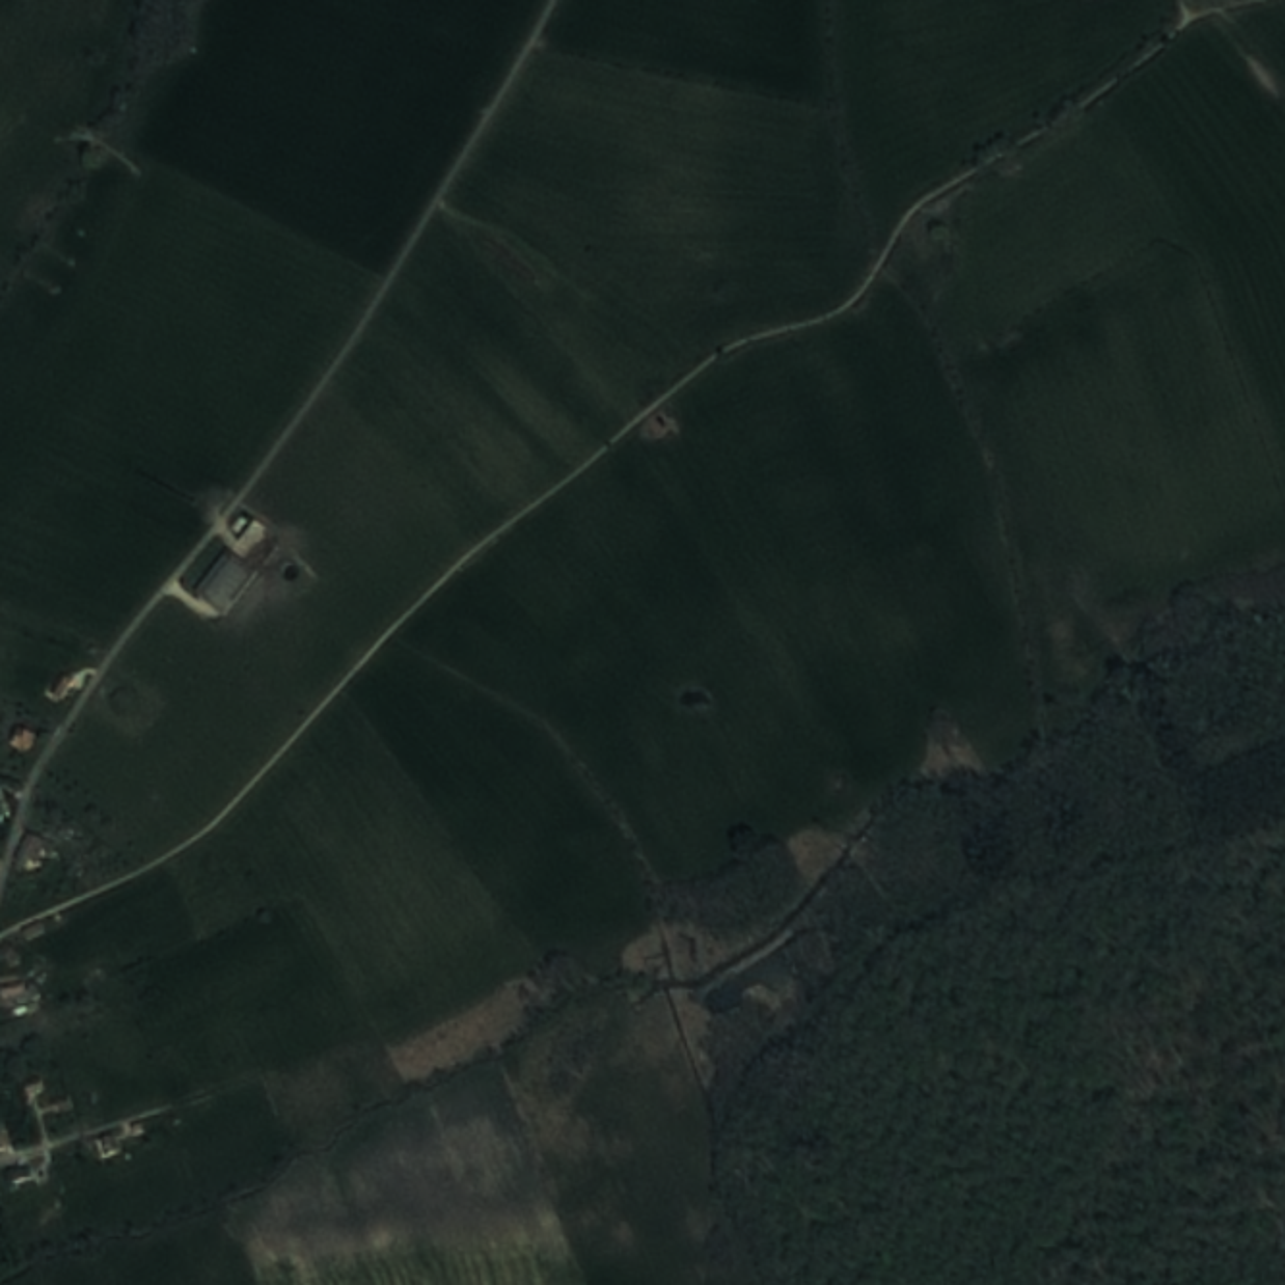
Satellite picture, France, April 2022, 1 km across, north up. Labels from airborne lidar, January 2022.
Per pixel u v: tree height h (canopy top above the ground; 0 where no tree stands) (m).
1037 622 0
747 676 0
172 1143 0
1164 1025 30
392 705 0
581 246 0
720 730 0
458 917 0
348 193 0
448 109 0
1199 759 19
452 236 0
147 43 19
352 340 0
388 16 0
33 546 0
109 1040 0
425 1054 0
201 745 0
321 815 0
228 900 0
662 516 0
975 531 0
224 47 0
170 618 0
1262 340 0
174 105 0
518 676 0
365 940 0
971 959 22
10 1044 0
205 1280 0
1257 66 0
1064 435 0
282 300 0
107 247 0
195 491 0
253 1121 0
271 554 0
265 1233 0
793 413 0
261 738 0
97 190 0
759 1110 20
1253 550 0
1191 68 0
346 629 0
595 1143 0
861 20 0
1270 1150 18
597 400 0
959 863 21
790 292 0
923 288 0
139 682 0
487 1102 0
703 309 0
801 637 0
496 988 0
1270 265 0
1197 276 0
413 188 0
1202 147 0
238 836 0
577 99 0
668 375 0
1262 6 0
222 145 0
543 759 0
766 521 0
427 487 0
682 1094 0
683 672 0
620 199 0
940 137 0
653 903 10
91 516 0
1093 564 0
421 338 0
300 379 0
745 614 0
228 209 0
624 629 0
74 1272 0
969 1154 26
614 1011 0
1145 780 23
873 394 0
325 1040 0
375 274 0
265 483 0
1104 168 0
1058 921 25
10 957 0
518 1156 0
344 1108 0
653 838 0
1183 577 0
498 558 0
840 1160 25
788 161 0
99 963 0
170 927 0
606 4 0
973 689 0
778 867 23
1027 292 0
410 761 0
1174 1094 29
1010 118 0
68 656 0
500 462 0
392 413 0
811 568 0
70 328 0
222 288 0
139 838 0
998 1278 21
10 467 0
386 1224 0
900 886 19
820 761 0
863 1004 21
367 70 0
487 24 0
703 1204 0
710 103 0
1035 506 0
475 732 0
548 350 0
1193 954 29
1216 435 0
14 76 0
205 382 0
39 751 0
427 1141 0
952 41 0
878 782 0
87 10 0
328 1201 0
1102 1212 22
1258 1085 32
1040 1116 24
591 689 0
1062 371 0
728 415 0
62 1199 0
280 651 0
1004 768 0
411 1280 0
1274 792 17
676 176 0
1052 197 0
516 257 0
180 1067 0
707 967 0
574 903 0
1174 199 0
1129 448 0
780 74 0
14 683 0
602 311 0
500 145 0
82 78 0
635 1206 0
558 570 0
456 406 0
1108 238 0
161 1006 0
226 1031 0
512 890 0
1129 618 0
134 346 0
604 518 0
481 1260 0
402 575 0
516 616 0
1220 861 20
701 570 0
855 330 0
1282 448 0
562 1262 0
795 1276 21
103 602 0
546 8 0
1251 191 0
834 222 0
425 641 0
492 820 0
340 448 0
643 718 0
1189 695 24
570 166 0
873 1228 22
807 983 13
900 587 0
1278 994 22
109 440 0
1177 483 0
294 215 0
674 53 0
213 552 0
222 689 0
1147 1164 25
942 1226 28
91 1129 0
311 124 0
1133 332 0
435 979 0
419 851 0
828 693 0
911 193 0
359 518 0
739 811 0
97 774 0
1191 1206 21
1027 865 22
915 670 0
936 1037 25
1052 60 0
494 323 0
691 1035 0
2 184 0
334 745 0
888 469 0
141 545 0
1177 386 0
